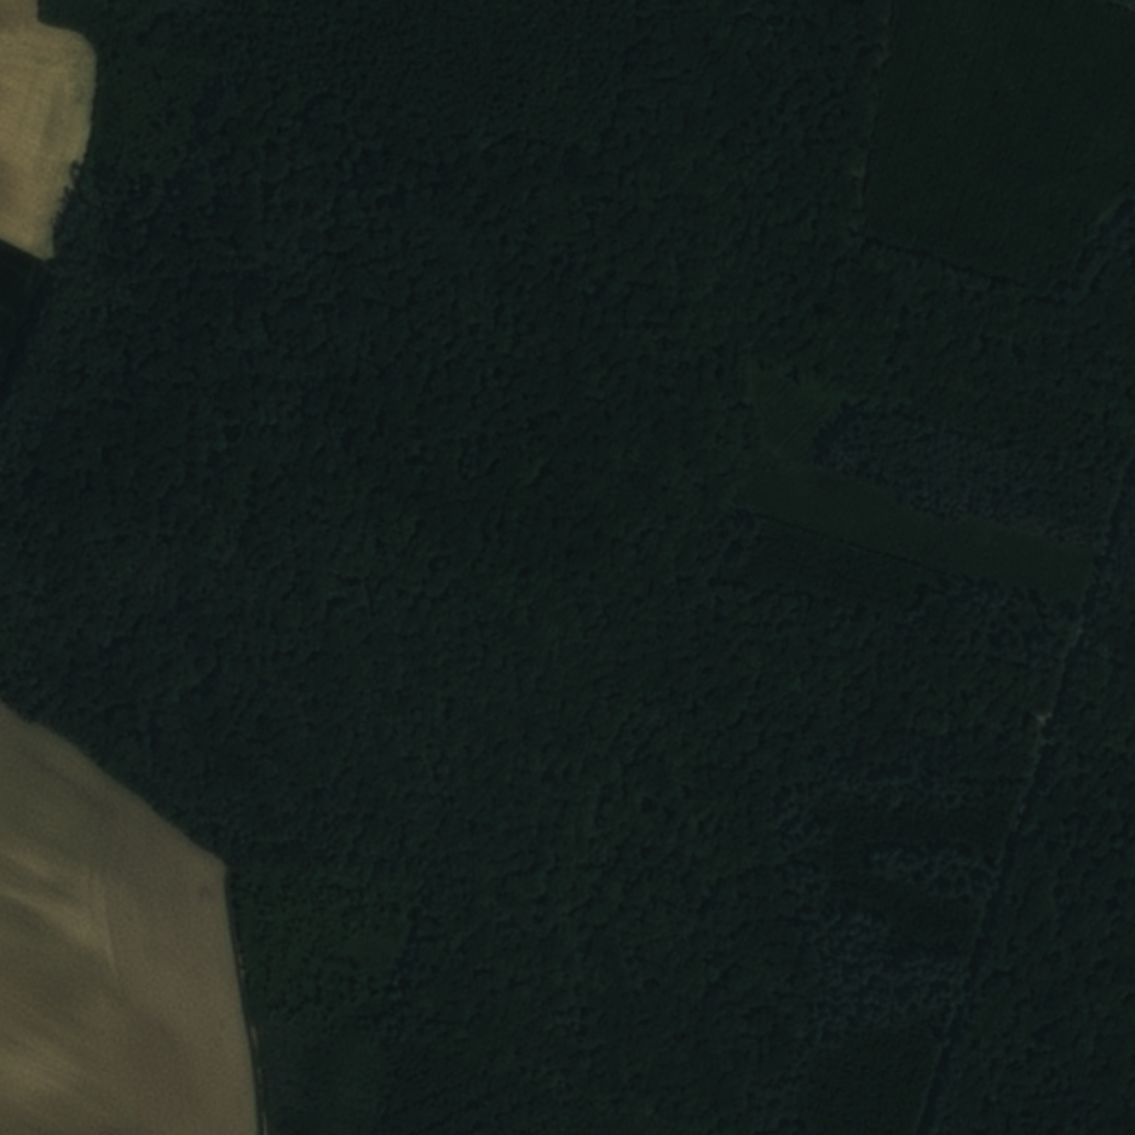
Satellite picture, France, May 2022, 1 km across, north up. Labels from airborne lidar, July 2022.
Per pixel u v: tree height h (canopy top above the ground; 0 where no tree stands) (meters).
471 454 27
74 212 24
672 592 23
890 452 21
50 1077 0
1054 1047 27
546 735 27
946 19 6
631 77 25
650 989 28
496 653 23
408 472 28
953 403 10
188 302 31
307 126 27
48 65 0
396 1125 16
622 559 26
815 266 28
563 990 23
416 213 30
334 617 23
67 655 22
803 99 27
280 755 27
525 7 17
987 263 8
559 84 17
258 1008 0
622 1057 22
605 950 27
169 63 6
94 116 7
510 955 28
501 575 26
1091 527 20
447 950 21
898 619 10
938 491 23
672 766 23
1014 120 7
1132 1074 23
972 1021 25
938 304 22
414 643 26
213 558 24
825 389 24
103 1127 0
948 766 24
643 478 30
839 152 26
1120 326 27
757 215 23
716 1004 27
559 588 23
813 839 24
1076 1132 25
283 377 26
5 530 25
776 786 23
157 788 23
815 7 29
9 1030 0
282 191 27
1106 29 9
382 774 23
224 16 19
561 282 31
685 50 27
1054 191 11
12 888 0
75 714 21
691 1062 30
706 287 27
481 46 19
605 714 27
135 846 0
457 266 30
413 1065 16
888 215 7
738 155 24
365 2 19
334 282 25
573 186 29
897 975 32
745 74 29
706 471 25
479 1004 27
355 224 29
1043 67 8
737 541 14
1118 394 24
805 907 12
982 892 28
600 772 28
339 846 25
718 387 24
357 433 29
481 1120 17
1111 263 24
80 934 0
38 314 20
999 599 28
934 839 12
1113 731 20
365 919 23
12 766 0
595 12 17
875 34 28
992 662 20
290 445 29
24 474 18
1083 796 22
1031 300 17
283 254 25
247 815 26
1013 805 13
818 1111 12
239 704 23
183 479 22
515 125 20
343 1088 10
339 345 31
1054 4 8
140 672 26
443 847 27
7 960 0
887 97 6
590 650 24
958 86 6
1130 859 27
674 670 28
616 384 25
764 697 21
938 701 20
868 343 23
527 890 28
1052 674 19
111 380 30
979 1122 22
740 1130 24
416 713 25
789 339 25
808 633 23
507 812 27
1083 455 14
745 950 31
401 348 26
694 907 27
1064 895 22
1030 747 18
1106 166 11
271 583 22
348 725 22
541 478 30
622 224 27
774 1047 27
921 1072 11
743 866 23
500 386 29
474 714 25
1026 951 21
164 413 34
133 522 26
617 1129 15
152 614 23
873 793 25
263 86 25
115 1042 0
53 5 10
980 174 7
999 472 23
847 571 11
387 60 19
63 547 26
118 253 28
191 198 32
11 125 0
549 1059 17
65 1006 0
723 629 24
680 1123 24
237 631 25
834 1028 28
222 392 32
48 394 24
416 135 27
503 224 29
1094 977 27
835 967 27
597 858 23
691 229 26
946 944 10
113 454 32
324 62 20
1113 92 9
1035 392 15
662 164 25
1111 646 26
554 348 30
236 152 30
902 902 14
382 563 22
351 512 25
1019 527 11
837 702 26
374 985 10
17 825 0
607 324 26
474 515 31
